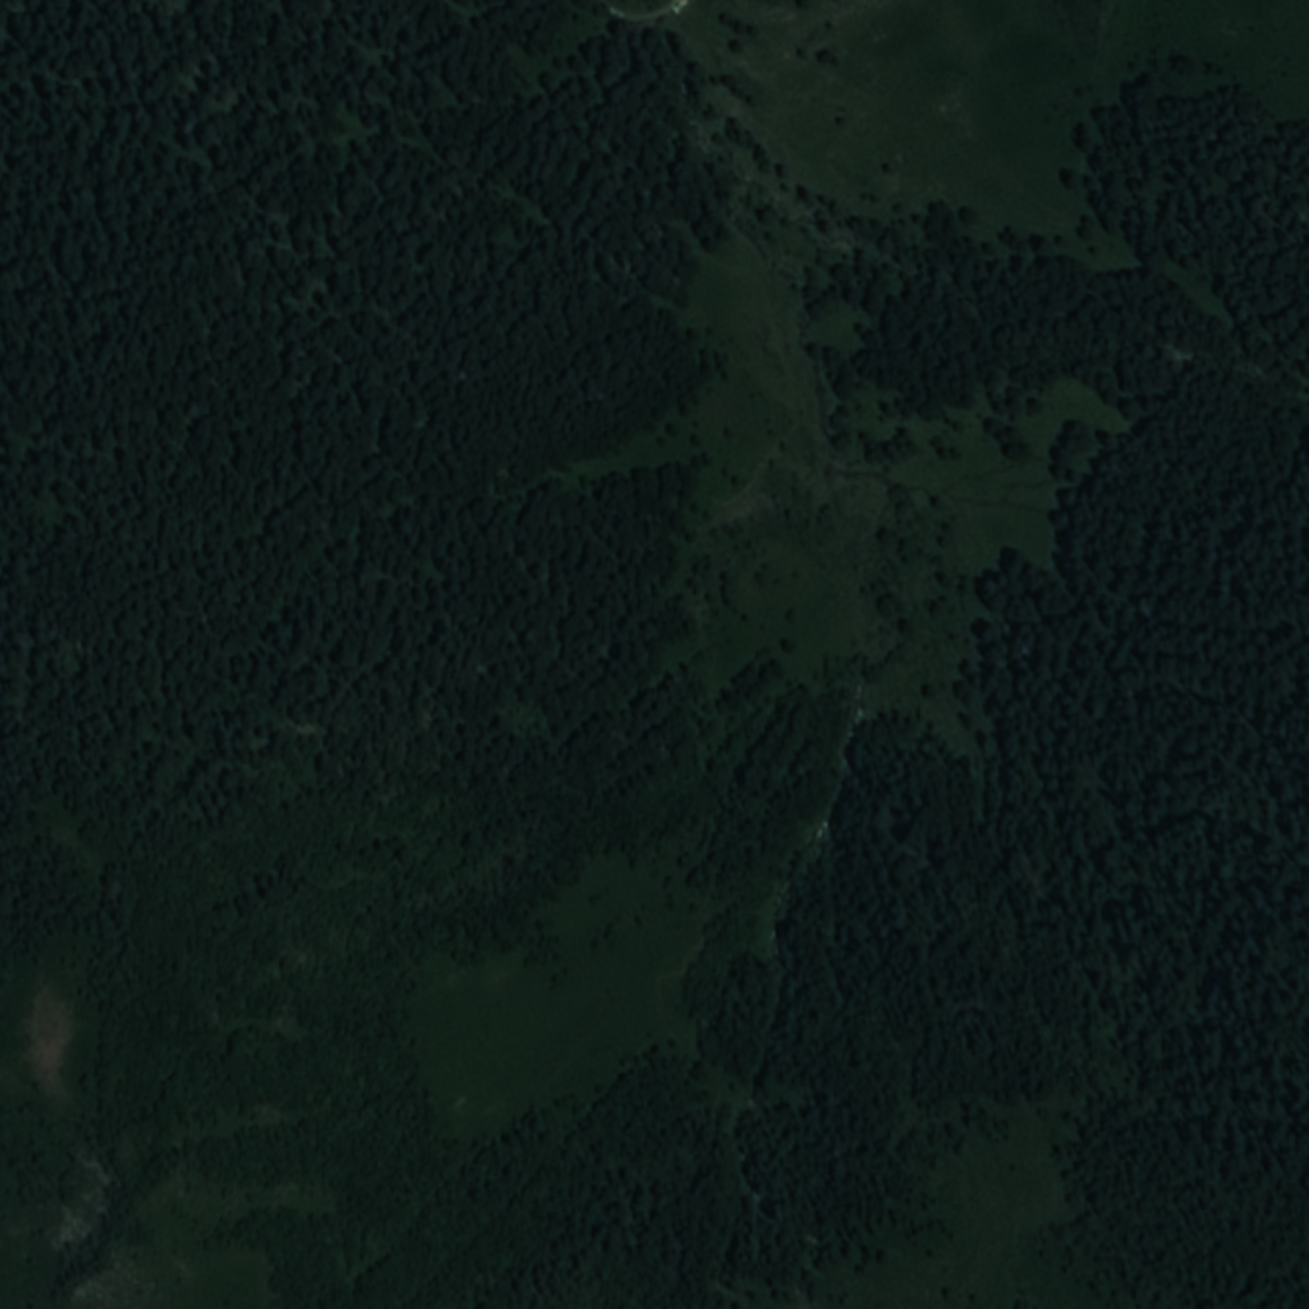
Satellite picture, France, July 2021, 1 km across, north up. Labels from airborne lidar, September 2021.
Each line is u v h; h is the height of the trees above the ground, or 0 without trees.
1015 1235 0
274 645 10
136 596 27
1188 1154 16
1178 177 7
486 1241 11
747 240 0
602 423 31
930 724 11
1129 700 27
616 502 26
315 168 22
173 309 17
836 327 0
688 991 9
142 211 33
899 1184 15
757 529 0
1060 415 0
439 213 8
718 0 0
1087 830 21
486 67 30
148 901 12
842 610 0
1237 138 29
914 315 8
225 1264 0
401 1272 11
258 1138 13
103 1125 7
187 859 13
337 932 9
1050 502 0
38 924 12
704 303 0
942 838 34
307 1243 10
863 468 0
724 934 9
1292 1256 12
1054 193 0
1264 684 26
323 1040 9
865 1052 18
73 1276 10
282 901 11
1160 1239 17
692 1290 24
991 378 14
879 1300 0
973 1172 0
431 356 34
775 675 15
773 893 10
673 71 15
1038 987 21
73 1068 0
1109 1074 10
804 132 0
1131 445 29
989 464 0
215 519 30
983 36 0
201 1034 14
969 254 15
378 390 24
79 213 28
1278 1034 20
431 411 12
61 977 0
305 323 30
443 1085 0
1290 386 10
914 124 0
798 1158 16
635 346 28
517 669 28
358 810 12
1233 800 10
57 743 21
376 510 14
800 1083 14
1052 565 0
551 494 34
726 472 10
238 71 27
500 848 13
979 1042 26
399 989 9
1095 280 27
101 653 20
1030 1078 22
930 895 18
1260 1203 15
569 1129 9
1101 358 19
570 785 15
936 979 21
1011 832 19
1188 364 11
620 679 32
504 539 36
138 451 17
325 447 32
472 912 13
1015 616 30
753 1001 18
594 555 28
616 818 19
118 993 10
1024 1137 0
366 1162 11
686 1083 8
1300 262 25
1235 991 27
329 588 26
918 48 0
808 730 11
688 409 14
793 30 0
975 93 0
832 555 0
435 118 29
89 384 18
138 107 18
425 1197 13
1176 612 35
